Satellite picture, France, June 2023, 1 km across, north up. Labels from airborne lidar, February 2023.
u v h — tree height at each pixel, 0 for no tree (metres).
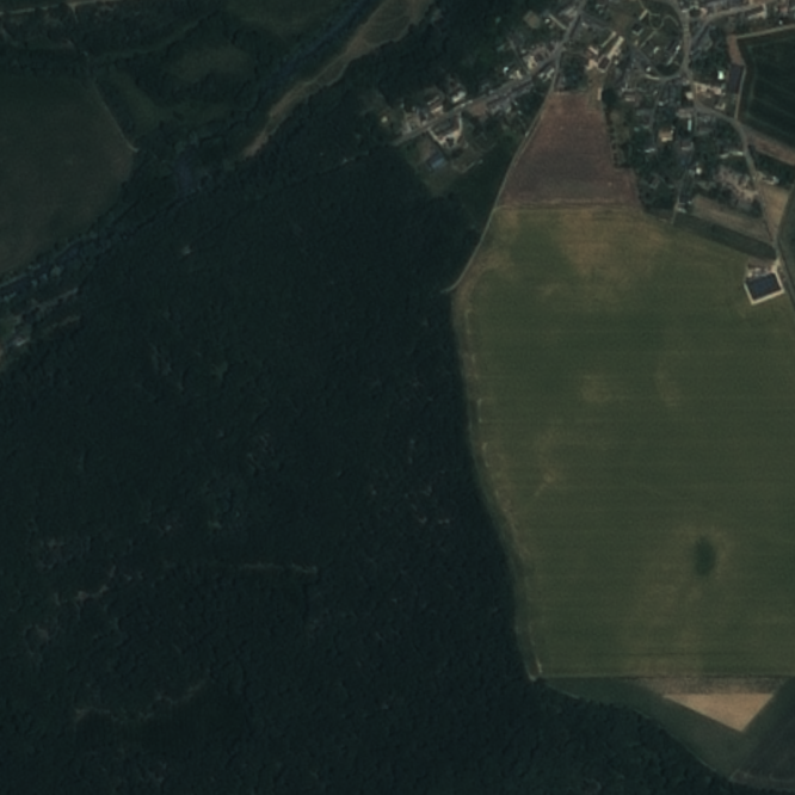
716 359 0
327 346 18
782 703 0
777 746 0
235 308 22
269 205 21
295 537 24
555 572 0
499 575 21
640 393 0
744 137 0
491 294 0
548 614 0
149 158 11
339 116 17
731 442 0
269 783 21
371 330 14
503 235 0
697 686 0
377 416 23
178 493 22
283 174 7
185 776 15
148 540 21
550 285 0
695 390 0
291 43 0
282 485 22
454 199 17
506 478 0
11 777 22
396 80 18
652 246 0
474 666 23
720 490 0
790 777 0
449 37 19
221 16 16
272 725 18
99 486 21
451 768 25
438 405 20
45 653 16
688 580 0
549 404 0
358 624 18
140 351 25
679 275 0
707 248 0
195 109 6
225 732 8
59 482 16
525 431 0
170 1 10
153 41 6
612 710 15
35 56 9
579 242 0
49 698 16
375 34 0
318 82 0
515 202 0
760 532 0
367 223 23
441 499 16
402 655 24
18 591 15
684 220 0
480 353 0
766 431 0
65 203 0
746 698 0
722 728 0
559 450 0
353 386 17
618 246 0
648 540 0
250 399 17
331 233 21
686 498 0
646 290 0
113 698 21
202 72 0
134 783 19
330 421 17
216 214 20
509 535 0
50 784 20
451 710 24
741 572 0
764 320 0
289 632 21
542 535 0
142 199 12
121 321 20
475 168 0
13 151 0
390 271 22
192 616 22
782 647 0
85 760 22
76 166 0
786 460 0
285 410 19
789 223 0
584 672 0
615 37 0
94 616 18
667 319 0
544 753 25
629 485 0
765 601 0
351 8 0
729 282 0
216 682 20
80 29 7
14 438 18
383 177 21
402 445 18
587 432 0
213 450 20
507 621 21
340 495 21
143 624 14
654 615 0
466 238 14
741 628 0
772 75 0
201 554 23
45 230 0
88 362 23
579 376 0
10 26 16
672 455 0
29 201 0
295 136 10
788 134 0
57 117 0
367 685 21
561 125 0
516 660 20
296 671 24
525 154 0
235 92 14
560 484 0
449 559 20
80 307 22
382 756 22
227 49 0
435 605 22
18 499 19
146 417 21
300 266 21
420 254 16
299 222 23
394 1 0
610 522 0
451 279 14
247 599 22
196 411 22
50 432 18
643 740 19
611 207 0
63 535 15
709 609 0
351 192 17
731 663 0
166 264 18
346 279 21
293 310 20
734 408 0
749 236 0
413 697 20
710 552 0
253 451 21
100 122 0
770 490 0
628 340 0
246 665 22
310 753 21
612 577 0
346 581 21
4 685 20
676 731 0
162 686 18
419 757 25
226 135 10
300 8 0
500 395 0
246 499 20
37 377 17
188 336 19
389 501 17
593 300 0
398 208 20
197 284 21
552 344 0
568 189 0
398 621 17
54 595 11
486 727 25
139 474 23
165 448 20
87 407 17
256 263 21
